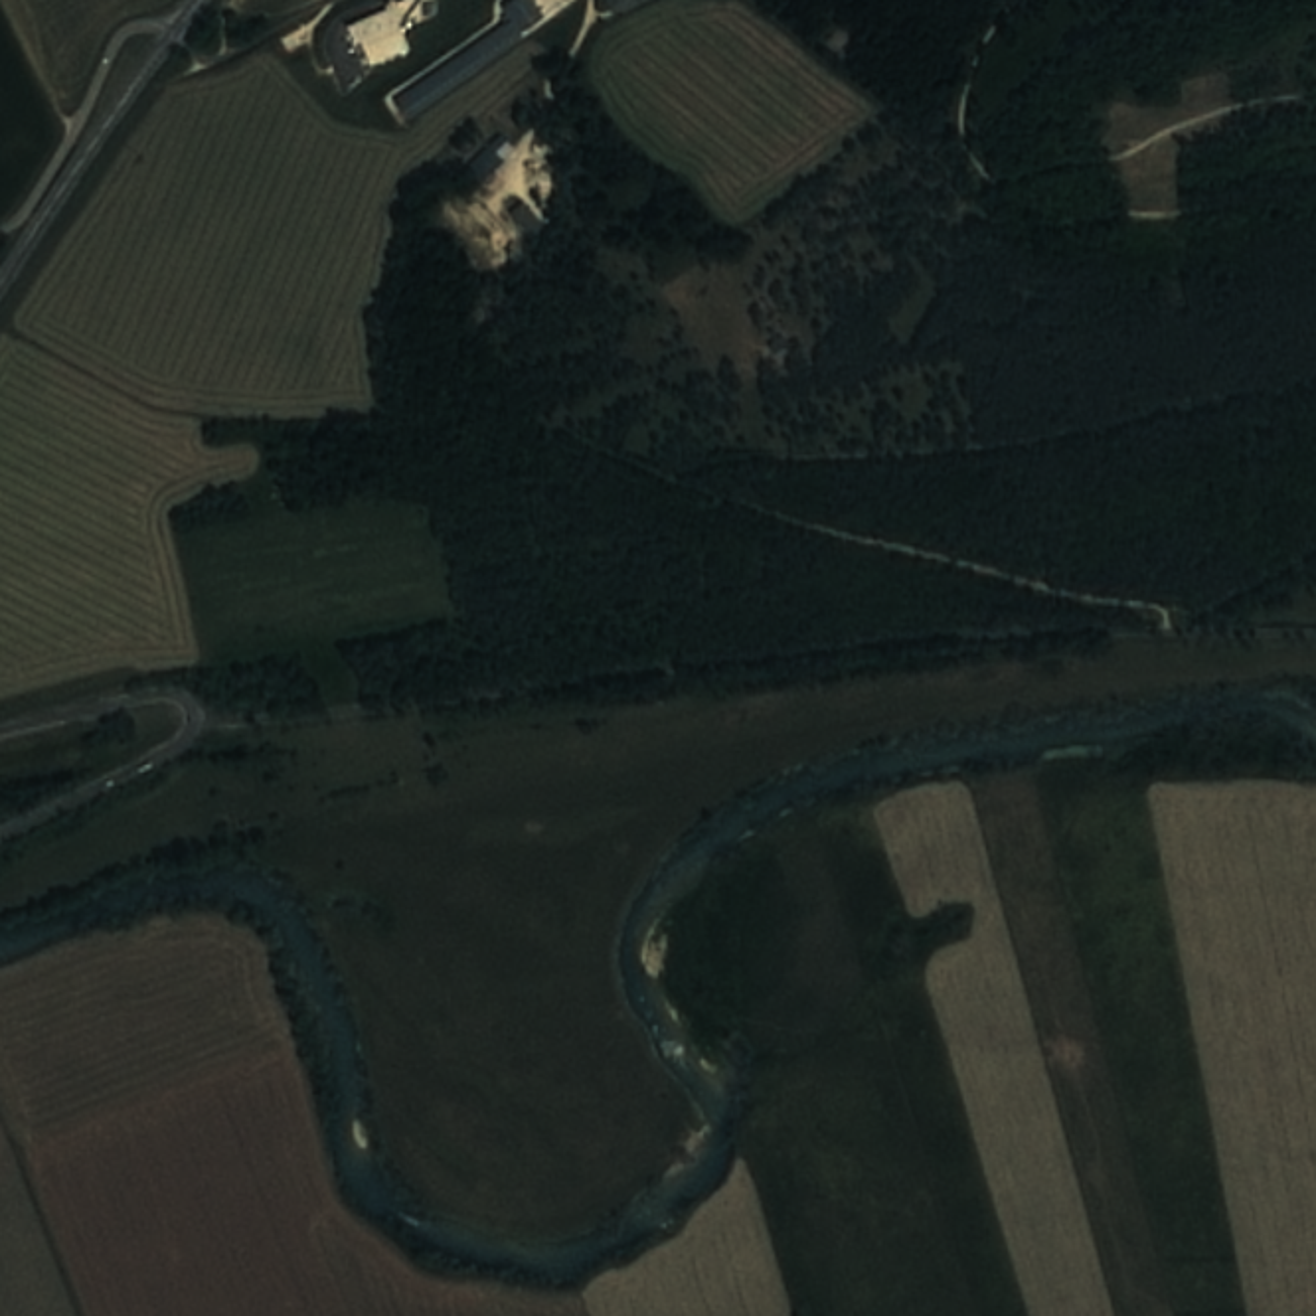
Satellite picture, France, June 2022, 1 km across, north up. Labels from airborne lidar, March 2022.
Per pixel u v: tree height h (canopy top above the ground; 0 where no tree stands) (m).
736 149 0
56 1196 0
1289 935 0
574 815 0
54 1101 0
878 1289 0
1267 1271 0
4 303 0
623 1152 0
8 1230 0
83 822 8
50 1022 0
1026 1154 0
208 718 0
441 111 0
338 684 0
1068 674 0
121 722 10
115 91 0
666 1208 0
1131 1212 0
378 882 0
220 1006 0
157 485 0
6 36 0
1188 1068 0
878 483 13
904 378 0
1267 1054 0
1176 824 0
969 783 0
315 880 0
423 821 0
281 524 0
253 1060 0
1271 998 0
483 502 9
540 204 11
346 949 0
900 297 13
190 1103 0
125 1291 0
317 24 0
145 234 0
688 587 13
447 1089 0
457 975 0
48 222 0
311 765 0
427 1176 0
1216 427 14
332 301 0
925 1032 0
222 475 0
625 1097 0
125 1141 0
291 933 0
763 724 0
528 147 0
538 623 15
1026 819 0
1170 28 6
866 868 0
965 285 14
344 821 0
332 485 19
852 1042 0
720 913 0
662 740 0
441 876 0
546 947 0
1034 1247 0
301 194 0
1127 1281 0
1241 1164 0
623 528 12
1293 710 0
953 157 16
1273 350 16
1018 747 0
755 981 0
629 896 0
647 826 0
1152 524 7
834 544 11
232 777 0
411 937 0
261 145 0
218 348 0
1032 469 12
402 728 0
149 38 0
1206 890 0
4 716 0
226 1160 0
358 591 0
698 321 0
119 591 0
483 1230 0
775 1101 0
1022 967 0
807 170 0
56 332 0
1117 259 15
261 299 0
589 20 0
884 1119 0
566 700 12
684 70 0
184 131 0
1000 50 0
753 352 0
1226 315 14
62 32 0
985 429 12
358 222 0
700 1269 0
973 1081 0
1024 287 14
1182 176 6
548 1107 0
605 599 8
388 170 0
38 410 0
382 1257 0
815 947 0
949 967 0
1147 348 16
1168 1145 0
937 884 0
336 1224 0
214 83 0
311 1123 0
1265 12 10
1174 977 0
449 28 0
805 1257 0
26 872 0
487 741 0
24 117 0
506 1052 0
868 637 11
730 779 0
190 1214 0
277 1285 0
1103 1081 0
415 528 0
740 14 0
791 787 0
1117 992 0
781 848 0
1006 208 18
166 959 0
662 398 9
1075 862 0
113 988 0
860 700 0
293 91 0
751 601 9
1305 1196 0
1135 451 14
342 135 0
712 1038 0
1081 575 12
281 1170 0
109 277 0
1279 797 0
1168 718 0
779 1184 0
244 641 0
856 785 11
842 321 12
